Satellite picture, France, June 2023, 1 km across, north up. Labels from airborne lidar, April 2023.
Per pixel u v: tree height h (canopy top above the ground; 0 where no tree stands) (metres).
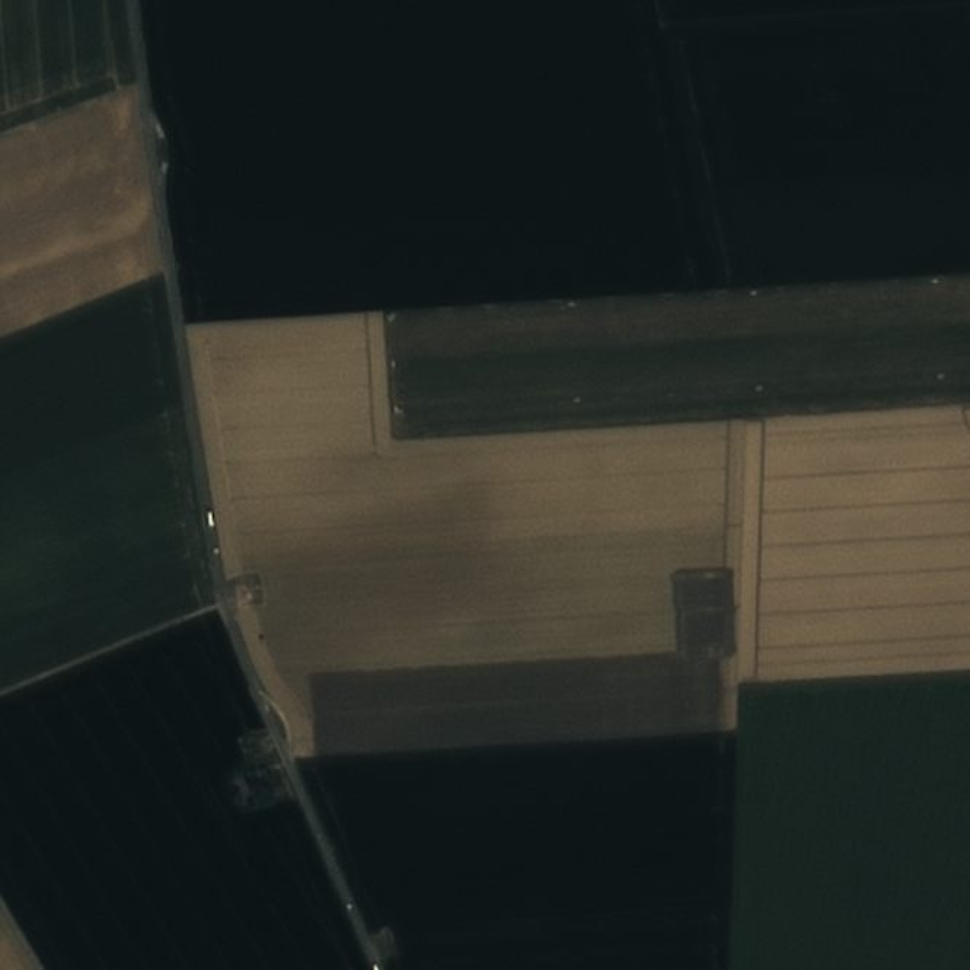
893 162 0
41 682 0
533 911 0
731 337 0
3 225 0
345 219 0
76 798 0
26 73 0
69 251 0
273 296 0
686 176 0
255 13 0
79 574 0
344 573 0
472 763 0
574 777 0
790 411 0
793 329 0
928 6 0
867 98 0
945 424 0
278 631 0
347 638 0
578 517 0
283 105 0
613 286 0
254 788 18
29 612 0
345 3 0
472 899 0
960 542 0
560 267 0
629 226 0
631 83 0
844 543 0
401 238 0
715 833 0
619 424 0
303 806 0
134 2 0
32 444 0
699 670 0
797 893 0
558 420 0
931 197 0
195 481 0
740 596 0
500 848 0
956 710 0
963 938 0
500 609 0
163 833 0
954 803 0
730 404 0
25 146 0
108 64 0
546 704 0
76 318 0
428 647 0
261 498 0
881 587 0
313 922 0
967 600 0
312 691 0
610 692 0
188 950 0
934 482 0
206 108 0
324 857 0
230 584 0
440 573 0
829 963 0
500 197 0
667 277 0
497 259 0
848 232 0
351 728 0
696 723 0
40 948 0
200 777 0
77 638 0
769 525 0
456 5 0
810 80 0
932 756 0
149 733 0
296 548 0
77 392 0
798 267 0
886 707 0
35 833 0
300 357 0
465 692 0
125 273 0
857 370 0
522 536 0
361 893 0
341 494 0
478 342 0
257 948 0
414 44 0
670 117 0
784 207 0
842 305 0
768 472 0
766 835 0
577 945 0
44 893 0
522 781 0
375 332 0
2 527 0
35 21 0
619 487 0
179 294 0
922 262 0
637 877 0
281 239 0
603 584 0
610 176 0
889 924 0
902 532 0
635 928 0
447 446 0
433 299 0
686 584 0
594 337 0
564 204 0
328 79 0
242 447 0
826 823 0
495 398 0
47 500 0
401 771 0
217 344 0
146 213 0
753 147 0
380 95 0
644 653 0
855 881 0
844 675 0
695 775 0
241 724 0
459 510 0
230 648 0
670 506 0
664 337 0
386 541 0
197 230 0
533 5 0
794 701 0
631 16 0
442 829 0
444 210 0
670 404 0
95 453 0
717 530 0
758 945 0
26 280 0
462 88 0
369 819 0
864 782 0
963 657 0
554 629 0
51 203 0
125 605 0
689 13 0
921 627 0
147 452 0
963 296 0
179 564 0
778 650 0
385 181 0
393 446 0
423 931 0
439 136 0
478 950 0
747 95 0
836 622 0
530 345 0
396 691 0
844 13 0
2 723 0
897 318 0
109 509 0
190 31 0
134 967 0
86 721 0
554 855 0
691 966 0
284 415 0
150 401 0
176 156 0
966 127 0
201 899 0
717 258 0
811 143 0
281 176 0
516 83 0
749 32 0
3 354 0
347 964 0
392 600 0
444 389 0
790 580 0
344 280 0
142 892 0
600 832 0
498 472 0
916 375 0
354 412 0
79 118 0
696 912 0
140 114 0
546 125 0
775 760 0
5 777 0
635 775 0
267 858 0
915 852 0
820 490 0
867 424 0
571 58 0
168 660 0
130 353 0
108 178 0
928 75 0
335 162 0
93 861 0
